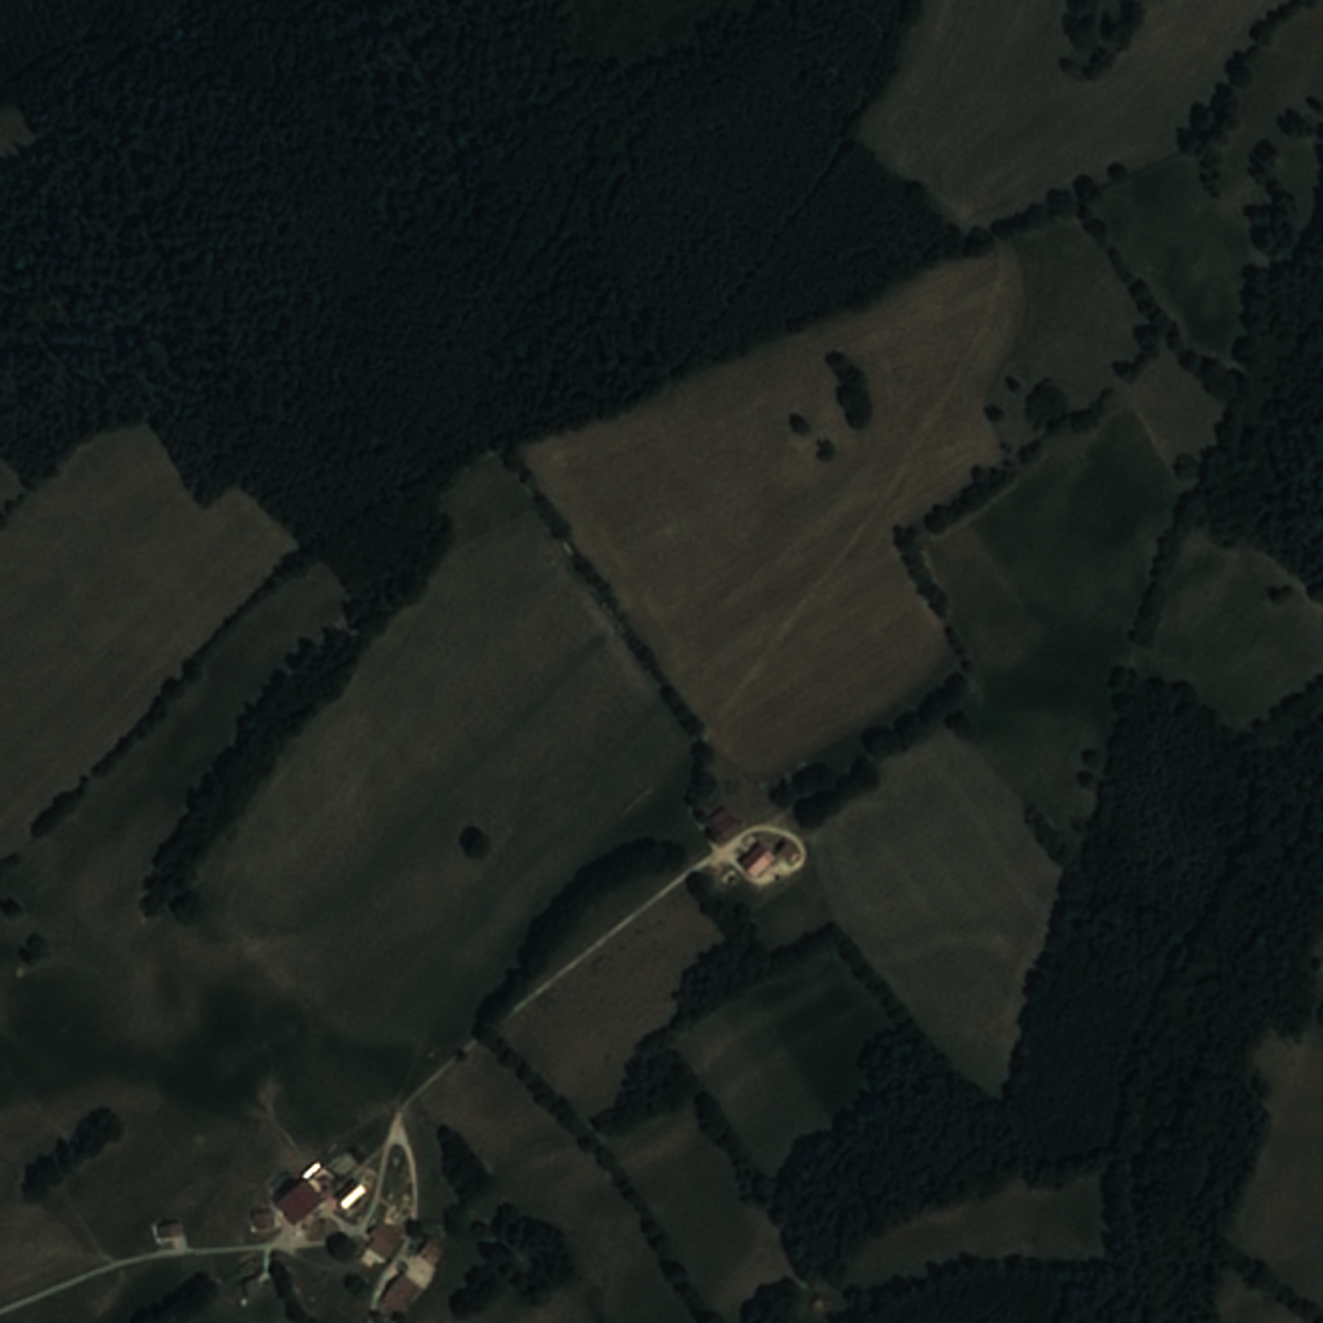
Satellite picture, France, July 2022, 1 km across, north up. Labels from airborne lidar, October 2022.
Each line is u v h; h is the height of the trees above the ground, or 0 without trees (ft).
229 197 81
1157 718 54
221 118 96
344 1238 46
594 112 41
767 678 0
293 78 67
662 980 0
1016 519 0
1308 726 21
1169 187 0
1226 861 21
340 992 0
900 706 0
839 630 0
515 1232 80
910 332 0
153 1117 0
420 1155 0
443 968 0
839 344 0
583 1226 0
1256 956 94
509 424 32
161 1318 63
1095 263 0
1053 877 0
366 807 0
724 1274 0
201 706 0
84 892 0
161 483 0
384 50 83
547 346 98
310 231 38
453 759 0
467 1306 59
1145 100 0
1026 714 0
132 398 107
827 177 53
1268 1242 0
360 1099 0
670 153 58
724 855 0
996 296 0
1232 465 45
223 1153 0
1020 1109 43
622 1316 0
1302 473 103
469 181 63
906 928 0
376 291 54
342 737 0
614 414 51
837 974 0
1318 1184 0
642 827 0
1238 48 0
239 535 0
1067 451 0
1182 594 0
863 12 52
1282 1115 0
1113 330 0
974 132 0
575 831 0
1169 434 0
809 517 0
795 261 54
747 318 62
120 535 0
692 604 0
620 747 0
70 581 0
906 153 0
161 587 0
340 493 62
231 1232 0
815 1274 68
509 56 62
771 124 56
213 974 0
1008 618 0
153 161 81
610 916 0
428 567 71
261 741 70
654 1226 52
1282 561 46
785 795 44
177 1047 0
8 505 26
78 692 0
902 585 0
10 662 0
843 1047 0
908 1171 78
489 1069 0
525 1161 0
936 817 0
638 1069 67
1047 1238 0
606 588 43
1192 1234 73
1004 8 0
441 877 0
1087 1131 41
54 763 0
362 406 41
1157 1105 44
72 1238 0
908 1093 102
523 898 0
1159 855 36
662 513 0
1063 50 0
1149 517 0
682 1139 0
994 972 0
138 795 0
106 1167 0
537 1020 0
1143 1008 39
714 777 36
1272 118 0
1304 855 69
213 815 71
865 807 0
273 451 55
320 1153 0
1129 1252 93
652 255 50
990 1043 0
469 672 0
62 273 94
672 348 62
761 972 77
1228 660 0
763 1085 0
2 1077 0
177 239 84
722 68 49
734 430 0
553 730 0
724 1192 0
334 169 50
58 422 89
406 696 0
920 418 0
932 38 0
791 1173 42
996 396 0
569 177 51
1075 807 0
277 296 80
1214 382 64
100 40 56
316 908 0
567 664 0
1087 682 0
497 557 0
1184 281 0
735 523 0
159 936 0
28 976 0
